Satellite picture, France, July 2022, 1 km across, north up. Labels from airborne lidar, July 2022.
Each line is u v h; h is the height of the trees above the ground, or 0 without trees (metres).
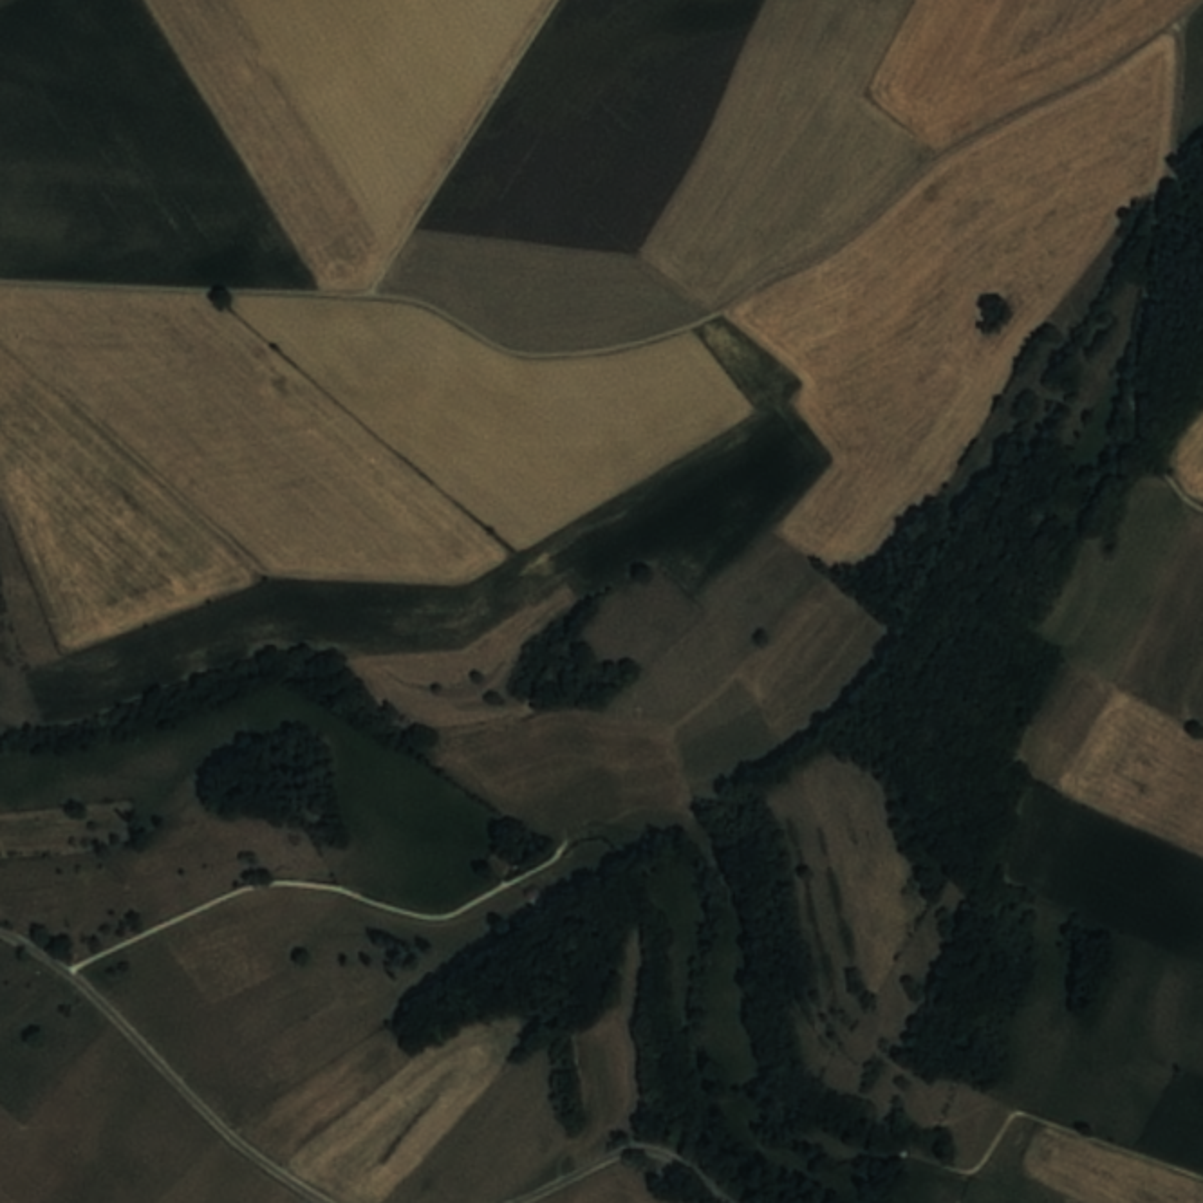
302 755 15
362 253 0
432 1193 0
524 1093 0
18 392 0
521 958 24
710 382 0
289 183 0
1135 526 0
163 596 0
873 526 0
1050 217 0
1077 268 0
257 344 0
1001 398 7
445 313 0
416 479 0
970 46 0
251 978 0
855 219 0
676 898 0
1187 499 0
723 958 0
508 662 0
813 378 0
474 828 0
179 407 0
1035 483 20
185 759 0
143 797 0
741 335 0
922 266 0
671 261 0
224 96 0
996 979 25
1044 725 0
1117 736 0
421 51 0
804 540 0
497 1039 0
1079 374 14
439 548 0
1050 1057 0
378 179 0
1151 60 0
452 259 0
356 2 0
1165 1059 0
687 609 0
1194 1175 0
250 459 0
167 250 0
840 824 0
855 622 0
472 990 22
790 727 0
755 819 7
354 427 0
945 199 0
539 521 0
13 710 0
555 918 18
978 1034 9
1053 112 0
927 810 22
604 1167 0
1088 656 0
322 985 0
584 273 0
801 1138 20
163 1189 0
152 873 0
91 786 0
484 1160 0
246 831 0
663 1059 17
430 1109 0
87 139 0
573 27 0
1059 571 16
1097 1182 0
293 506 0
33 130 0
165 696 12
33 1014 0
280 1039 0
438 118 0
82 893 0
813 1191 20
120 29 0
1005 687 19
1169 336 14
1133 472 15
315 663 16
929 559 27
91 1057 0
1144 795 0
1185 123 0
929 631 19
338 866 0
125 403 0
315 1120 0
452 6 0
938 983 18
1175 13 0
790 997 9
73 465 0
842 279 0
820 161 0
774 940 13
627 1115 0
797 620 0
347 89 0
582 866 0
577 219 0
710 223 0
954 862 21
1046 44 0
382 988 0
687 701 0
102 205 0
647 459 0
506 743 0
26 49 0
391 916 0
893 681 18
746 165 0
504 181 0
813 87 0
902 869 0
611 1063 0
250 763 24
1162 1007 0
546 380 0
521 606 0
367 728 16
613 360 0
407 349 0
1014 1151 0
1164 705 0
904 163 0
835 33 0
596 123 0
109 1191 0
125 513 0
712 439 0
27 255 0
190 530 0
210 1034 0
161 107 0
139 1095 0
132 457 0
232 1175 0
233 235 0
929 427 0
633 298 0
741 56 0
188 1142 0
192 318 0
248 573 0
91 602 0
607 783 0
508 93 0
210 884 0
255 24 0
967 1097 0
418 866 0
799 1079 14
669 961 17
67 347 0
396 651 0
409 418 0
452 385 0
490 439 0
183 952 0
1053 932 0
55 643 0
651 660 0
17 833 0
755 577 0
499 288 0
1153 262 15
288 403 0
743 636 0
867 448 0
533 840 13
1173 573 0
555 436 0
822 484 0
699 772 0
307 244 0
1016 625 17
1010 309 15
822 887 0
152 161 0
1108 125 0
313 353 0
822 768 0
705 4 0
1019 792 12
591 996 21
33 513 0
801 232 0
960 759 20
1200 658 0
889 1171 22
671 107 0
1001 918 9
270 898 0
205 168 0
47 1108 0
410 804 0
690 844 8
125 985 0
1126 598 0
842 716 14
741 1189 10
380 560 0
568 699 11
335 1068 0
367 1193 0
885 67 0
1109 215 0
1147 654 0
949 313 0
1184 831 0
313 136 0
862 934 0
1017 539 17
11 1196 0
